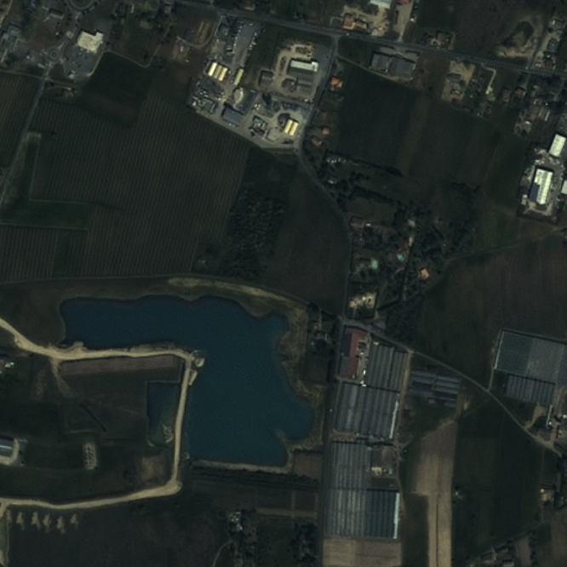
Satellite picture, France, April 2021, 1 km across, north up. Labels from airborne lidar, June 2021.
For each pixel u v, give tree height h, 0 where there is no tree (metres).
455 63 0
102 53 0
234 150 0
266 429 0
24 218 0
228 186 0
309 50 0
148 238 0
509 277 0
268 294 0
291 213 0
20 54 0
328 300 0
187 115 0
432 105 0
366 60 0
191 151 0
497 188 0
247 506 0
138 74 0
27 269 0
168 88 0
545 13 0
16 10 0
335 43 0
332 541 0
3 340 0
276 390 0
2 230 0
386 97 0
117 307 0
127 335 0
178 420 0
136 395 0
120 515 0
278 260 0
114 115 0
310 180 0
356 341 0
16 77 0
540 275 0
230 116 0
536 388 0
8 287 0
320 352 23
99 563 0
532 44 0
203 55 0
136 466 0
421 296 13
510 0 0
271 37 0
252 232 6
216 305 0
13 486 0
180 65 0
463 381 0
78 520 0
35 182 0
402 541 0
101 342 0
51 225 0
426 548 0
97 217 0
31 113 0
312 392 0
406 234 0
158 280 0
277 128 0
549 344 0
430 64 0
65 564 0
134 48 0
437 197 0
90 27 0
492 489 0
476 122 0
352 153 0
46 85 6
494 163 0
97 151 0
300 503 0
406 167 0
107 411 0
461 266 0
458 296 0
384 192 0
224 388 0
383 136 0
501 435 0
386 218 0
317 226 0
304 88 0
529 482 0
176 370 0
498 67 0
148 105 0
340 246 0
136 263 0
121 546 0
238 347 0
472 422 0
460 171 0
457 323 0
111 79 0
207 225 0
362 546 0
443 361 0
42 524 0
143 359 0
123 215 0
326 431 0
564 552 0
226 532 0
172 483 0
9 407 0
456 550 0
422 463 0
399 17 0
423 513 0
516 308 0
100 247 0
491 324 0
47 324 0
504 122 0
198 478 8
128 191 0
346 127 0
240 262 8
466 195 6
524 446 0
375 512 0
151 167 0
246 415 0
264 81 0
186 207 0
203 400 0
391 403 0
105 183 0
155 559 0
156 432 0
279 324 0
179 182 0
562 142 0
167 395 0
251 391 0
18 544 0
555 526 0
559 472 11
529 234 0
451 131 0
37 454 0
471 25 0
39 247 0
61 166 0
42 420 0
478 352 0
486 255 0
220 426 0
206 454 0
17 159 0
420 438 0
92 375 0
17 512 0
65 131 0
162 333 0
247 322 0
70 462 0
